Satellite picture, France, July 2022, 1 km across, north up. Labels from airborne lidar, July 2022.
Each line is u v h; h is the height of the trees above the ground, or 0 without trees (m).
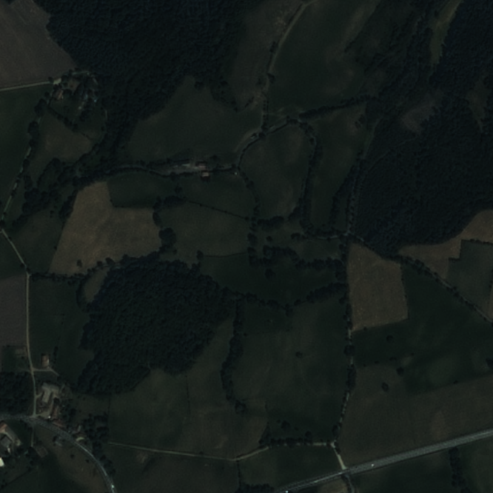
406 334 0
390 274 0
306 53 0
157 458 0
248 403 0
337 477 0
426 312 0
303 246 0
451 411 0
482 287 0
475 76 22
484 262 0
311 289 0
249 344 0
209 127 0
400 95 22
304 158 0
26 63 0
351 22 0
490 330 0
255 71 0
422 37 18
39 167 0
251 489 15
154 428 0
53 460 0
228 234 0
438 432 0
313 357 0
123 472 0
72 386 7
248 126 0
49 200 7
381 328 0
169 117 0
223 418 0
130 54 21
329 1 0
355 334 0
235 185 0
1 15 0
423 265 13
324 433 0
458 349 0
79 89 10
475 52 22
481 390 0
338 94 0
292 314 16
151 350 12
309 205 16
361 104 13
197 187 0
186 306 12
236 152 0
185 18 21
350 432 0
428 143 15
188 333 22
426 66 18
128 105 22
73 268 0
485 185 24
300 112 0
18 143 0
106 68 25
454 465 14
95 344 14
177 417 0
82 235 0
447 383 0
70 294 0
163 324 11
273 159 0
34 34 0
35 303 0
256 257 19
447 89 17
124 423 0
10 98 0
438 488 0
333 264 21
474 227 0
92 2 17
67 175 7
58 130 0
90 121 16
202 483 0
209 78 16
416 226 18
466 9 21
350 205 6
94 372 16
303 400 0
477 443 0
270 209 0
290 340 0
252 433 0
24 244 0
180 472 0
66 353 0
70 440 0
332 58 0
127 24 33
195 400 0
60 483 0
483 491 0
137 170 10
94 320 15
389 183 6
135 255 0
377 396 0
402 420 0
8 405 8
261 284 0
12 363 0
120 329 10
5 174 0
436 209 17
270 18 0
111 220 0
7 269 0
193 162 0
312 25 0
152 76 26
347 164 0
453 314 0
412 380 0
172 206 16
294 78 0
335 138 0
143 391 0
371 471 0
